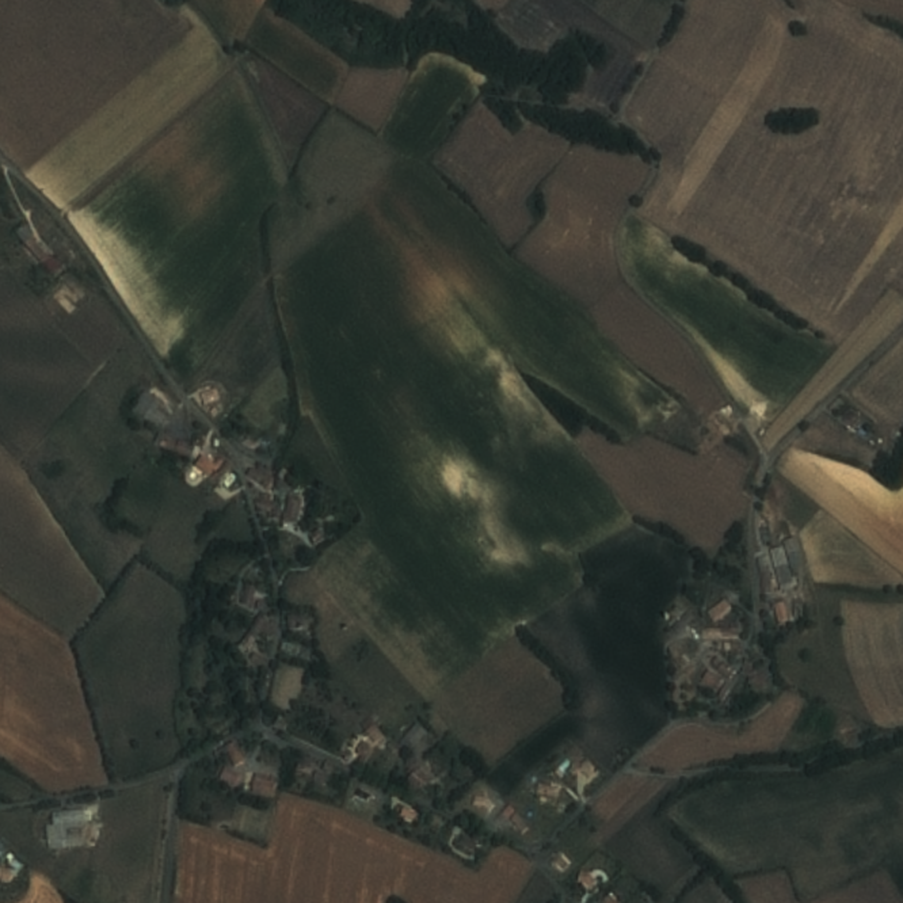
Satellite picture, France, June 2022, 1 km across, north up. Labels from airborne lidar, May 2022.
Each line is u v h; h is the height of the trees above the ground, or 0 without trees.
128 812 0
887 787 0
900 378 0
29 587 0
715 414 0
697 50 0
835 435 0
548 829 0
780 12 0
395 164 0
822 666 0
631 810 0
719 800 0
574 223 0
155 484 0
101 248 0
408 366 0
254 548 12
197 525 6
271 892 0
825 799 0
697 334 0
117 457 0
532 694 0
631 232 0
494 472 0
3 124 0
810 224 0
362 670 0
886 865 0
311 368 0
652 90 0
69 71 0
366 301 0
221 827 0
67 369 0
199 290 0
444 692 0
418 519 0
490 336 0
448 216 0
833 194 0
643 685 0
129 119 0
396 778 9
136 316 0
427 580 0
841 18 0
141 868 0
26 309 0
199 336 0
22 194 0
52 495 0
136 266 0
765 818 0
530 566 0
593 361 0
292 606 7
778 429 0
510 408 0
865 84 0
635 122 0
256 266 0
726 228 0
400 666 0
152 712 0
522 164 0
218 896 0
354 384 0
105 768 9
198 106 0
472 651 0
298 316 0
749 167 0
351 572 0
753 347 0
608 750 0
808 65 0
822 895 0
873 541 0
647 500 0
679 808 0
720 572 10
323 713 9
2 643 0
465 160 0
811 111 14
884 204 0
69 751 0
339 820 0
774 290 0
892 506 0
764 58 0
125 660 0
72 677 0
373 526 0
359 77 0
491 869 0
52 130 0
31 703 0
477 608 0
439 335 0
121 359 0
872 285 0
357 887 0
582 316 0
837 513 0
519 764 0
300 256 0
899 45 0
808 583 0
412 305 0
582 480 0
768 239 0
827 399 0
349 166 0
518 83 10
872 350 0
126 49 0
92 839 0
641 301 0
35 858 0
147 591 0
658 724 0
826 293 0
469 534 0
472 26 10
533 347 0
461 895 0
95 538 0
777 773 6
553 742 0
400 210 0
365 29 9
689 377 0
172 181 0
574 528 0
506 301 0
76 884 0
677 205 0
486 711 0
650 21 0
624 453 0
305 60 0
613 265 0
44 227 0
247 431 6
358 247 0
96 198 0
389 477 0
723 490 0
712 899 0
